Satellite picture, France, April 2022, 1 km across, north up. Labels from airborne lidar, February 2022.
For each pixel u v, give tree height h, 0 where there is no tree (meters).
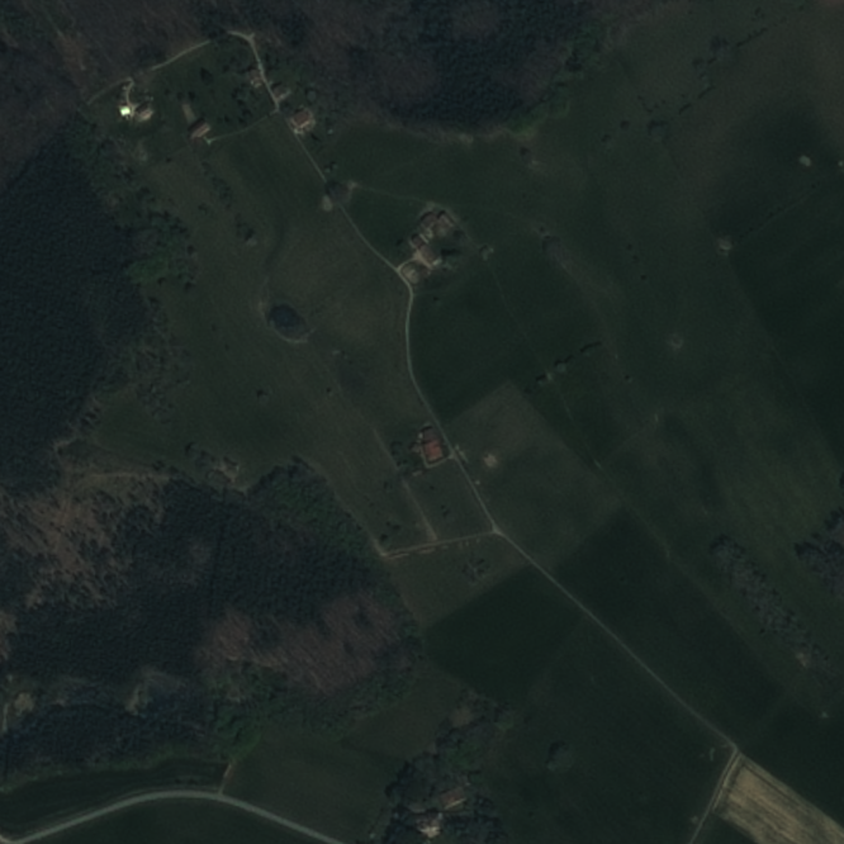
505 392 0
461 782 17
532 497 0
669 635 0
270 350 0
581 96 0
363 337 0
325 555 27
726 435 0
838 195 0
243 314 0
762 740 0
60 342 22
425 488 0
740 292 0
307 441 0
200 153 0
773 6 0
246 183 0
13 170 13
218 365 0
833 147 0
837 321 0
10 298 24
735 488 0
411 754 0
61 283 23
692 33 0
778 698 0
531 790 0
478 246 0
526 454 0
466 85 27
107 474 0
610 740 0
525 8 20
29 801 0
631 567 0
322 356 0
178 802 0
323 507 23
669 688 0
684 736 0
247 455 0
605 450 0
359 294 0
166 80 0
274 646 30
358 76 19
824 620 0
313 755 0
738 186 0
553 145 0
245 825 0
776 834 0
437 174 0
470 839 20
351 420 0
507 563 0
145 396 20
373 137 0
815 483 0
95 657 25
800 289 0
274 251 0
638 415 0
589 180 0
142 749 23
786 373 0
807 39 0
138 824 0
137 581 18
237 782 0
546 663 0
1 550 19
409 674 15
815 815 0
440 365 0
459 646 0
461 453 0
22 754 28
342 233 0
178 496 21
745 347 0
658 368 0
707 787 0
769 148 0
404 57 24
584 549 0
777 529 0
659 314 0
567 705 0
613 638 0
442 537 0
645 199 0
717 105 0
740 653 0
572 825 0
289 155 0
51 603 19
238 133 0
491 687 0
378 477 0
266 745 0
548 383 6
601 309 0
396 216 0
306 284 0
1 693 17
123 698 19
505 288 0
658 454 0
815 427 0
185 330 0
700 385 0
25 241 22
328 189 0
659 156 0
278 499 20
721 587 0
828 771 0
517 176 0
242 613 22
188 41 18
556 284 0
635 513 0
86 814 0
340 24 23
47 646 22
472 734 16
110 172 17
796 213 0
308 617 28
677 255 0
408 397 0
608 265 0
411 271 0
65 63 14
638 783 0
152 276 20
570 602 0
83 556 19
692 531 0
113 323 19
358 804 0
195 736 24
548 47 32
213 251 0
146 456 0
